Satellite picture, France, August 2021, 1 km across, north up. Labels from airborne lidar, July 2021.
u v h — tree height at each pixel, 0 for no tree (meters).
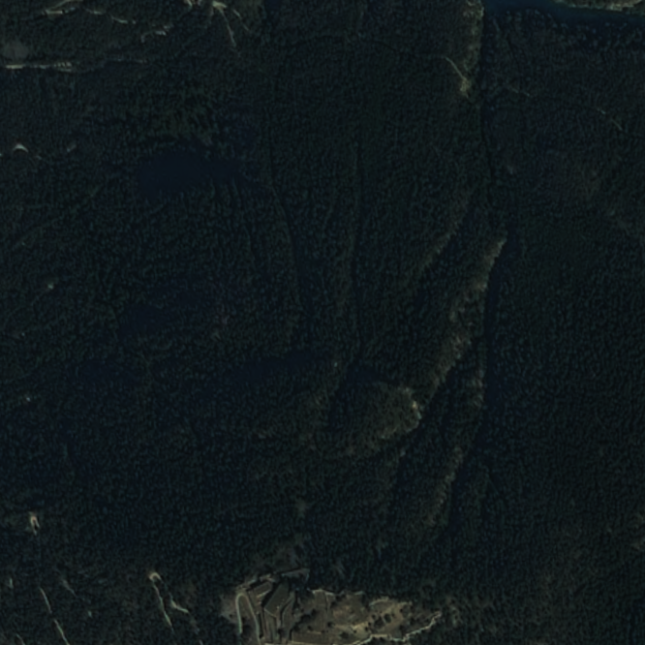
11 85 9
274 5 7
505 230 21
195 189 15
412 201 13
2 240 15
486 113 8
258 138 8
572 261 10
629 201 11
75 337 17
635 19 0
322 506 15
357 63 12
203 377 17
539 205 8
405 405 7
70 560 7
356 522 12
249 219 15
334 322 15
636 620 26
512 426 23
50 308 11
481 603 9
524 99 9
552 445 18
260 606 0
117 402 16
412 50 9
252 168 9
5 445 14
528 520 10
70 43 9
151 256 18
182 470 12
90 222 13
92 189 17
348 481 20
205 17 6
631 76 12
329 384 13
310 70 13
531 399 15
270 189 11
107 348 13
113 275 11
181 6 10
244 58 6
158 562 10
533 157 10
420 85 14
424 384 16
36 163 14
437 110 11
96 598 8
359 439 12
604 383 16
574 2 13
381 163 12
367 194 9
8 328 8
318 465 14
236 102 10
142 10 14
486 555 15
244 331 16
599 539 12
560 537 11
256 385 11
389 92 12
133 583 12
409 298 15
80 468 8
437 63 11
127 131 20
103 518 17
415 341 22
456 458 13
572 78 9
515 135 9
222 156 9
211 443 12
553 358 15
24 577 9
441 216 17
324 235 18
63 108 12
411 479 14
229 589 8
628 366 18
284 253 16
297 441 16
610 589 16
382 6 9
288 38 10
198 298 14
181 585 11
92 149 8
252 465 16
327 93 11
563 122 10
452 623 12
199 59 9
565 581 8
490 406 13
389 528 16
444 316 8
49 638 12
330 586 8
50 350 14
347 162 11
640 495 18
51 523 8
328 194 15
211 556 14
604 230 12
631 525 9
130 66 8
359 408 12
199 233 20
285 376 10
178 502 14
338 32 10
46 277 12
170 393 12
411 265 16
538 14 9
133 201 15
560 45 10
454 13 9
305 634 0
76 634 12
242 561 15
